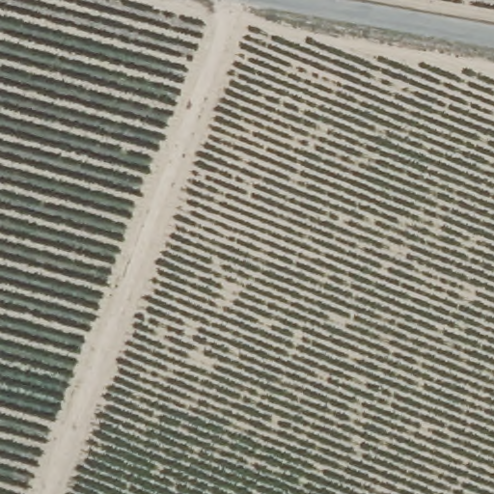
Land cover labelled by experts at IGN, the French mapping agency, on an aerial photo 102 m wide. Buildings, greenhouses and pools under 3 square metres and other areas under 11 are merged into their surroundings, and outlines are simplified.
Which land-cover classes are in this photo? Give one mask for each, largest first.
<instances>
[{"label":"vineyard","instance_id":"1","mask_svg":"<svg viewBox=\"0 0 494 494\"><path fill-rule=\"evenodd\" d=\"M158 4V0H0V494H27L29 482L39 465L42 448L48 440V428L54 423L62 407L69 378L73 376L81 345L85 342L83 338L91 330V322L96 320L98 315L102 291L106 288L108 276L114 268L116 255L120 253L125 226L131 220L133 201L137 195L141 197V183L151 172V158L154 152L158 151L160 141H164L168 118L176 112L179 89L176 87L178 83H183L187 66L193 60L195 50L203 37V19L158 10L154 6ZM411 14L438 15L494 27V0H345ZM241 50L237 54V60L233 62L232 68L228 69V89L214 106V122L210 125V135L201 151H197V160L185 191L179 193L174 216L176 228L174 233H170L160 259H156V274L152 278V284L160 286V289H154L151 295H145L143 299L147 301V307L135 313V342L127 340L123 357H118V374L114 376L112 384L106 388L104 394L106 407L104 411L96 413L98 428L93 430L91 438L87 440V459L75 467L77 471L68 494H494V79L469 68L452 73L430 66L426 62L409 68L386 56H370L369 60H365L361 56L343 52L340 48L328 46L315 39H305L299 44L249 25L247 35L239 44Z\"/></svg>","mask_w":494,"mask_h":494},{"label":"pervious surface","instance_id":"2","mask_svg":"<svg viewBox=\"0 0 494 494\"><path fill-rule=\"evenodd\" d=\"M158 10L203 19V37L195 50L193 60L187 66L183 83H178L176 87L179 89L176 112L168 118L164 141H160L158 151L154 152L151 158V172L141 183V197L137 195L133 201L131 220L125 226L120 253L116 255L114 268L108 276L106 288L102 291L98 315L96 320L91 322V330L83 338L85 342L81 345L73 376L69 378L62 407L54 423L48 428V440L42 448L39 465L29 482L27 494H68L77 471L75 467L87 459V440L91 438L93 430L98 428L96 413L104 411L106 407L104 394L106 388L112 384L114 376L118 374V357H123L127 340L135 342V313L147 307V301L143 299L145 295H151L154 289H160V286L152 284V278L156 274V259H160L170 233H174L176 228L174 216L179 193L185 191L197 160V151H201L210 135V125L214 122V106L228 89V69L232 68L233 62L237 60V54L241 50L239 44L247 35L249 25L299 44L305 39H315L328 46L340 48L343 52L361 56L365 60H369L370 56H386L409 68L426 62L430 66L452 73L469 68L494 79V62L465 56L459 58L455 54L423 52L413 48H401L398 44H380L355 37H332L326 33L307 31L286 23H274L257 17L251 14V8H261V4L235 0H158V4L154 6Z\"/></svg>","mask_w":494,"mask_h":494},{"label":"impervious surface","instance_id":"3","mask_svg":"<svg viewBox=\"0 0 494 494\"><path fill-rule=\"evenodd\" d=\"M261 4V8L318 15L326 19H338L359 25L415 33L423 37H438L494 48V27L438 15L411 14L345 0H235Z\"/></svg>","mask_w":494,"mask_h":494},{"label":"herbaceous vegetation","instance_id":"4","mask_svg":"<svg viewBox=\"0 0 494 494\"><path fill-rule=\"evenodd\" d=\"M251 14L257 17L274 23H286L307 31L326 33L332 37H355L380 44H398L401 48H413L423 52L455 54L459 58L465 56L494 62V48L438 37H423L415 33L359 25L338 19H326L318 15L261 8H251Z\"/></svg>","mask_w":494,"mask_h":494}]
</instances>
